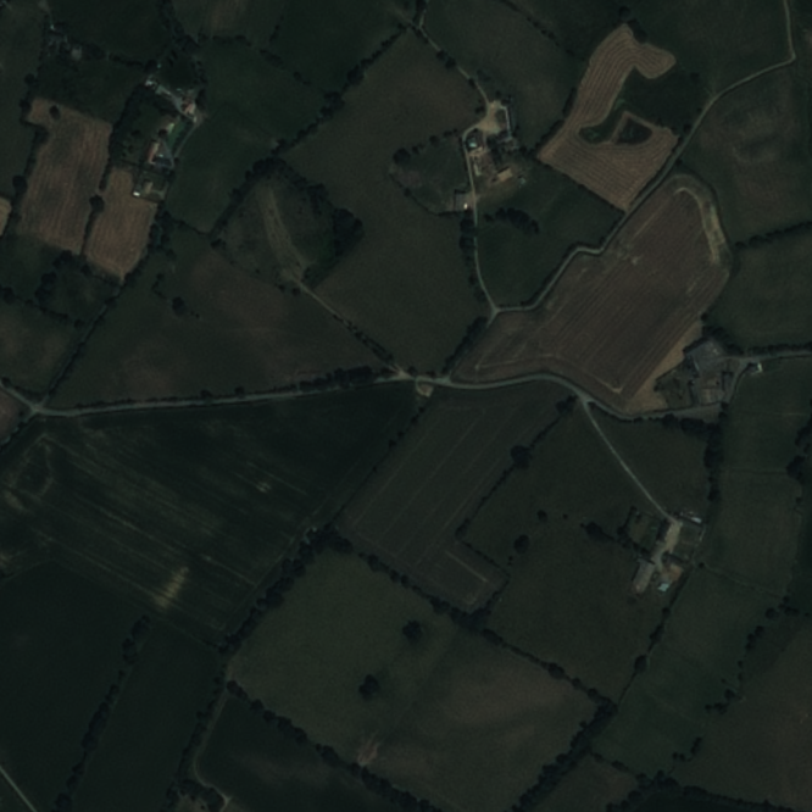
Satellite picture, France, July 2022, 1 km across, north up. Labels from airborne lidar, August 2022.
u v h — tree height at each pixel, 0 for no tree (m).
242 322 0
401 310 0
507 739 0
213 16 0
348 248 12
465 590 0
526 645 0
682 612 0
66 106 0
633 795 11
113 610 0
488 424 0
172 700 0
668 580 0
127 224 0
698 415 0
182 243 0
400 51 0
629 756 0
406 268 0
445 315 0
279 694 0
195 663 0
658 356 0
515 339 0
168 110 8
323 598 0
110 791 0
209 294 0
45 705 0
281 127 0
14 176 0
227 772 0
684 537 0
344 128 0
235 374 0
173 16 8
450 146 0
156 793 0
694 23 0
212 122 0
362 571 0
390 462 0
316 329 0
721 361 0
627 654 0
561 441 0
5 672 0
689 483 0
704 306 0
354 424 0
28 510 0
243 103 0
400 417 0
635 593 0
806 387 0
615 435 0
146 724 0
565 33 0
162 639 0
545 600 0
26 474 0
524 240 0
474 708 0
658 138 0
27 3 0
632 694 0
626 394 0
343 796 0
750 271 0
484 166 0
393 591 0
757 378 0
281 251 0
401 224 0
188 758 8
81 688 0
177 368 0
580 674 0
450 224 0
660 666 0
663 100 0
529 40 0
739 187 0
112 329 0
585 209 0
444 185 0
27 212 0
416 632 22
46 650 0
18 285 0
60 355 0
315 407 0
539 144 7
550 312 0
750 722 0
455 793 0
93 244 0
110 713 11
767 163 0
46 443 0
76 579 0
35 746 0
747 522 0
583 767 0
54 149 0
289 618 0
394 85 0
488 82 0
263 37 0
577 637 0
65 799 14
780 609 7
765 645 0
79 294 0
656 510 0
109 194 0
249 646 0
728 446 0
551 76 0
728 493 0
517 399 0
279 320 0
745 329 0
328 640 0
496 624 0
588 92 0
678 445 0
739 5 0
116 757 0
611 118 0
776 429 0
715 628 0
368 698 15
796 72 0
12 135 0
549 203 0
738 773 0
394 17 0
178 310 16
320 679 0
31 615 0
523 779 0
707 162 0
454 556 0
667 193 0
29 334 0
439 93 0
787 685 0
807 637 0
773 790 0
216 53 0
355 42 0
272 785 0
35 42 0
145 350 0
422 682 0
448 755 0
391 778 0
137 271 8
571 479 0
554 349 0
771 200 0
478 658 0
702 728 0
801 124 0
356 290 0
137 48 0
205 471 0
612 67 0
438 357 0
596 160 0
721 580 0
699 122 0
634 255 0
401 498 0
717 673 0
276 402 0
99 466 0
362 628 0
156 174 0
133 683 0
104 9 0
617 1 0
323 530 7
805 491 0
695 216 0
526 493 0
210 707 7
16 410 0
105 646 0
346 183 0
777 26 0
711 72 0
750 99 0
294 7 0
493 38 0
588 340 0
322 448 0
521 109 0
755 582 0
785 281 0
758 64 0
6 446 8
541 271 0
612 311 0
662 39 0
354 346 0
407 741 0
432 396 0
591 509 0
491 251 0
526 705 0
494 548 0
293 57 0
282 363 0
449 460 0
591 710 0
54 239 0
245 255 0
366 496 0
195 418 0
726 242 0
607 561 0
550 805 0
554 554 0
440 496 0
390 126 0
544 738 0
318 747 9
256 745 0
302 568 14
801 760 0
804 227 7
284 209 0
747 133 0
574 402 10
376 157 0
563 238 0
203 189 0
